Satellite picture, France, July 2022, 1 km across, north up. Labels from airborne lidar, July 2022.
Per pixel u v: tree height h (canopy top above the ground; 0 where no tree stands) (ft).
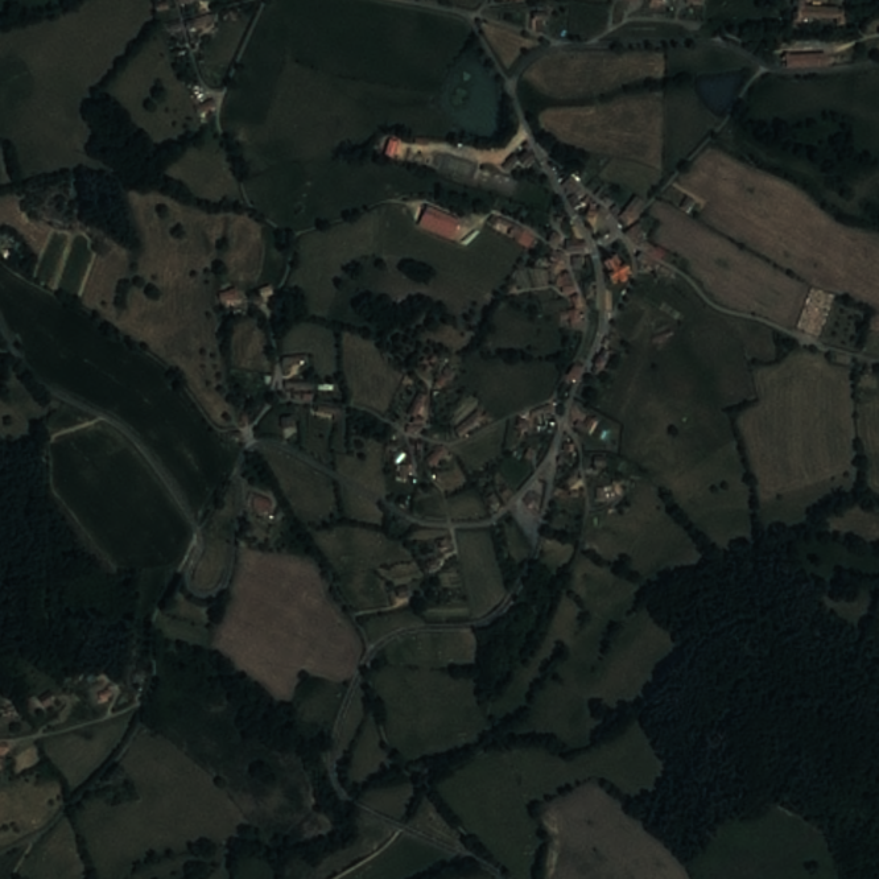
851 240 0
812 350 25
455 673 56
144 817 0
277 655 0
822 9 0
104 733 0
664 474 0
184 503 0
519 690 0
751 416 0
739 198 0
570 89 0
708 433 0
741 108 56
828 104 0
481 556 0
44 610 64
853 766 59
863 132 0
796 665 64
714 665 58
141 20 0
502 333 0
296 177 0
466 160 0
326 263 0
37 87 0
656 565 0
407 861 0
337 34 0
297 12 0
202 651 57
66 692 21
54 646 51
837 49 0
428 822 0
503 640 27
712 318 0
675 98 0
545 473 0
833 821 53
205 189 0
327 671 0
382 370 0
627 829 0
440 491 0
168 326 0
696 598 78
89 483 0
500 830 0
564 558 0
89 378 0
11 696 46
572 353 19
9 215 0
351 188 0
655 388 0
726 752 59
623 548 0
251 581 0
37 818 0
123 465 0
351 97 0
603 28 0
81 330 0
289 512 29
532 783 0
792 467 0
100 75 0
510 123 63
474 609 0
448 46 0
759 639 61
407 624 0
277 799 0
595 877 0
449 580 0
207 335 0
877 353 0
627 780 0
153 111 37
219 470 0
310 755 52
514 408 0
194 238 0
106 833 0
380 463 0
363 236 0
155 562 0
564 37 0
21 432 0
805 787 59
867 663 67
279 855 73
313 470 0
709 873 0
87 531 0
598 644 0
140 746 0
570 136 0
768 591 75
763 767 35
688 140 0
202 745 0
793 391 0
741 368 0
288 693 0
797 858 0
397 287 0
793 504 0
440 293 0
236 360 0
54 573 68
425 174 48
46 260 0
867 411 0
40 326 0
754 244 0
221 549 0
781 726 54
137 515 0
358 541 0
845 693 54
